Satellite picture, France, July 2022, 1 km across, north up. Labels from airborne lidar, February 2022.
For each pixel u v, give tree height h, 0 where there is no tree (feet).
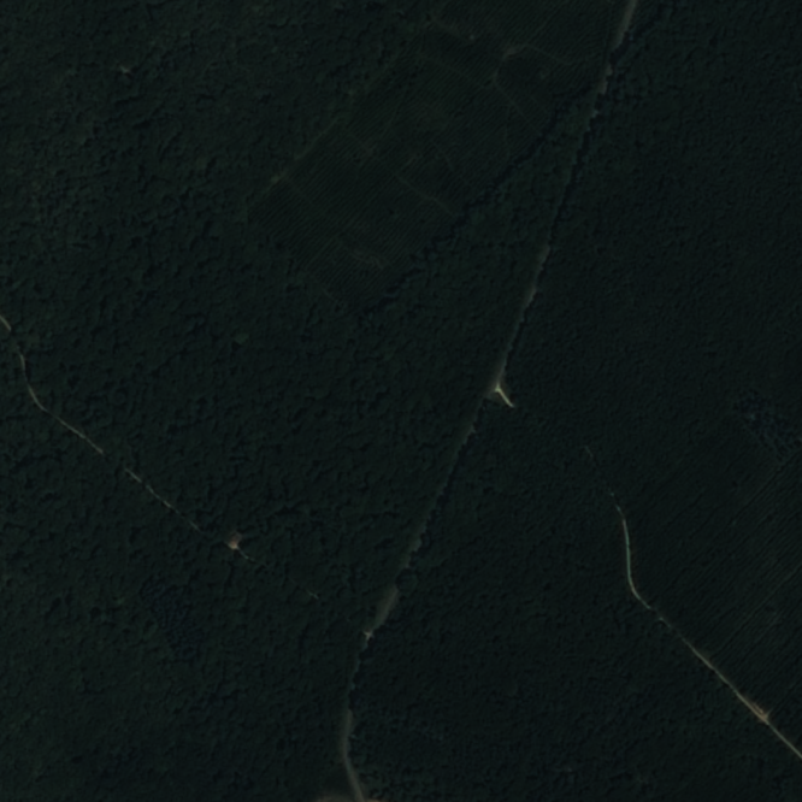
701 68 83
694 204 44
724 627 22
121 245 94
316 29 70
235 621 67
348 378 67
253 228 87
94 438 68
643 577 26
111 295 78
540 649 67
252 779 79
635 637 62
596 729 64
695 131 52
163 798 76
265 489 31
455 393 58
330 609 62
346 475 95
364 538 68
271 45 59
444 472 76
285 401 99
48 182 58
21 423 74
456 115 22
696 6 76
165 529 93
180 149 67
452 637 61
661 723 82
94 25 65
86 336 89
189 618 78
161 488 74
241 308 81
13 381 71
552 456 54
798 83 47
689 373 61
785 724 24
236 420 90
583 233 63
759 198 52
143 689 76
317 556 84
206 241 89
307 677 72
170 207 84
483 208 68
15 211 70
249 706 82
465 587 54
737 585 20
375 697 62
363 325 68
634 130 82
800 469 22
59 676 68
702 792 39
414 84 33
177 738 63
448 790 43
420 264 75
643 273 66
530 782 71
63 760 64
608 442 54
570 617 60
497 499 71
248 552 68
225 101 60
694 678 66
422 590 51
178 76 61
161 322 79
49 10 62
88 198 55
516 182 70
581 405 55
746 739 82
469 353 52
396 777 74
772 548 20
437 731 87
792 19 67
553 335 50
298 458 84
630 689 74
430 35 20
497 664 62
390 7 92
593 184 67
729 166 45
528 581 62
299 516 100
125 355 96
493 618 65
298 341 80
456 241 48
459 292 63
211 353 79
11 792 62
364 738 73
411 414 67
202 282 94
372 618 75
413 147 23
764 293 43
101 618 81
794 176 47
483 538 46
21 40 59
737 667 23
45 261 75
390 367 84
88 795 73
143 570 80
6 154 58
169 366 81
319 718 64
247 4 62
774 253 50
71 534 89
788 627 19
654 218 54
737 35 78
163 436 75
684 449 60
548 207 71
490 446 52
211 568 91
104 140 64
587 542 61
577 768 73
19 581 64
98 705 86
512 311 46
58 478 72
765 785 39
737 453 23
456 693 63
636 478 57
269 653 85
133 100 72
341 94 67
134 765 92
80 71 56
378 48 95
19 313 59
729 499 22
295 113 60
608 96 23
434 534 65
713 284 71
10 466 76
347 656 66
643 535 29
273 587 71
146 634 66
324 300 82
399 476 76
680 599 23
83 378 65
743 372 63
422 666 67
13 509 28
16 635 68
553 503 62
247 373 90
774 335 44
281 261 76
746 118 43
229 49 58
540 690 70
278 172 76
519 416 48
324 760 51
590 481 60
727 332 60
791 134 52
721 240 52
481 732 47
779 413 27
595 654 61
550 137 63
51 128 60
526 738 59
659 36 74
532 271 50
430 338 67
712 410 55
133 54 92
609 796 67
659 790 62
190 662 25
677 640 72
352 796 0
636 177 44
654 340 54
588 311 49
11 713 75
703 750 78
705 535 27
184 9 52
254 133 66
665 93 67
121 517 91
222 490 74
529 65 18
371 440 72
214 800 80
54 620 73
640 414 55
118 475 87
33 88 64
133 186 91
